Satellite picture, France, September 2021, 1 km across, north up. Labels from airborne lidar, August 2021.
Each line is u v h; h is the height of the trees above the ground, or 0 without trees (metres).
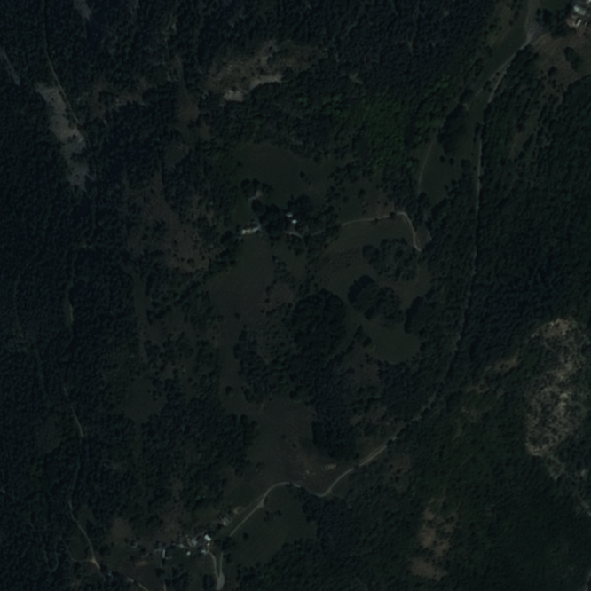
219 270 10
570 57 19
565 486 12
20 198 15
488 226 22
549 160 17
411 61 20
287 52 13
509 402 15
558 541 14
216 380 12
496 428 19
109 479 13
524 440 7
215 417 15
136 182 13
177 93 16
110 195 7
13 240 11
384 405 12
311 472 0
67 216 21
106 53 7
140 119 18
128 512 8
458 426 8
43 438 13
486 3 20
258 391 13
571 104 16
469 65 14
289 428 0
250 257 0
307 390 19
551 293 25
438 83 16
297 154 11
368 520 9
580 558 16
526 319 27
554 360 11
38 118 13
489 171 10
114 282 17
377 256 15
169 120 16
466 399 8
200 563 0
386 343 0
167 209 0
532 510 14
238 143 14
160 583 0
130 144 11
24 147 14
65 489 12
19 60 10
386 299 16
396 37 27
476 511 12
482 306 13
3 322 13
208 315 14
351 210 0
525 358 9
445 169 0
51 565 8
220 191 11
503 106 13
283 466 0
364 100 12
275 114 15
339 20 16
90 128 13
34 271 17
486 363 16
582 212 16
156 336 0
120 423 9
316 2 19
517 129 10
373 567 9
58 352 21
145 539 0
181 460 13
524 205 17
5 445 26
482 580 21
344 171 9
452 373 14
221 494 9
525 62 6
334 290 0
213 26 19
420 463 9
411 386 9
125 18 8
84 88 8
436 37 24
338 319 24
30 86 13
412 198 18
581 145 17
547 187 18
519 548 14
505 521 14
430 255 15
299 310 11
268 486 0
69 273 21
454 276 7
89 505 10
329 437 17
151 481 12
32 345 7
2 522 19
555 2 0
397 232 0
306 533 0
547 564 10
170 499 8
